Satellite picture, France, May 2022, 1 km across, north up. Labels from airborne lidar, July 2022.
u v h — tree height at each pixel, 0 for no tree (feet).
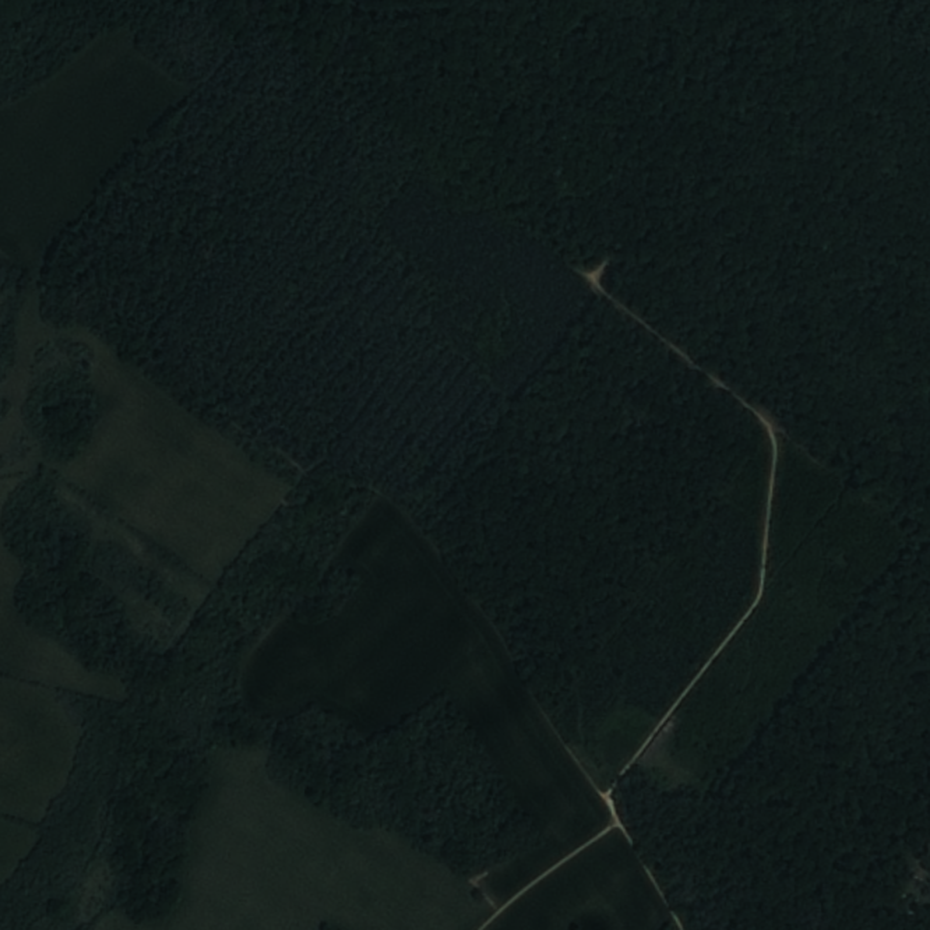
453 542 58
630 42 69
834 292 64
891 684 66
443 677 0
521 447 65
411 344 45
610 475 59
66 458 25
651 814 47
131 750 42
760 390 58
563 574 61
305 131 59
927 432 73
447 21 68
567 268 29
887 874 77
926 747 89
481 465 38
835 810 79
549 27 69
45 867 21
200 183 59
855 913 87
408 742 43
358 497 25
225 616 29
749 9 66
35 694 0
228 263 70
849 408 73
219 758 0
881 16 52
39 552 53
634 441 69
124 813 51
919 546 43
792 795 83
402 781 70
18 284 22
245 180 56
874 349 73
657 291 65
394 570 0
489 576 68
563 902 0
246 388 27
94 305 23
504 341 37
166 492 0
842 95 74
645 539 54
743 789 70
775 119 69
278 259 68
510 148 49
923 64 55
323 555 29
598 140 58
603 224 73
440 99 52
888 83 72
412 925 0
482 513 72
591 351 77
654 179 72
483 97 72
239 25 64
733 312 65
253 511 0
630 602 19
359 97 31
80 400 19
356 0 87
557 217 65
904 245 71
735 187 63
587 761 0
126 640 49
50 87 0
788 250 63
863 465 84
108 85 0
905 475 76
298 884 0
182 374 55
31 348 0
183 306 64
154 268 55
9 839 0
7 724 0
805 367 68
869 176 65
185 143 50
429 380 40
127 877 61
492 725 0
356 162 49
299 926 0
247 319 55
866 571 31
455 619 0
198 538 0
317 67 51
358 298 37
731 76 68
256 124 57
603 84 67
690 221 52
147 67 0
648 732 0
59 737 0
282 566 58
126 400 0
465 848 32
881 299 72
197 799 47
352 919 0
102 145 0
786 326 63
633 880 0
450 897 0
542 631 67
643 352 63
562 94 59
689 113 78
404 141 44
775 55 62
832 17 71
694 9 63
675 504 63
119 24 27
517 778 0
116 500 0
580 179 78
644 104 62
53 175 0
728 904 72
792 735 72
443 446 43
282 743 48
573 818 0
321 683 0
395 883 0
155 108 0
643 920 0
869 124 64
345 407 42
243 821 0
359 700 0
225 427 53
